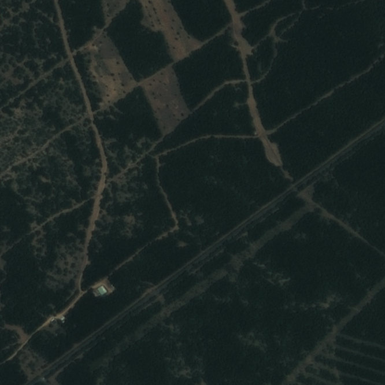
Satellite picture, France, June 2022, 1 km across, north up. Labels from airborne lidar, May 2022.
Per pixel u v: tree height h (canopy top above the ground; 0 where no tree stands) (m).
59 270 9
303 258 11
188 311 11
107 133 9
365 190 10
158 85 0
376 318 9
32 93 9
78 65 8
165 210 11
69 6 11
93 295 13
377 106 10
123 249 8
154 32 9
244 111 8
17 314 10
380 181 10
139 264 9
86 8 10
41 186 10
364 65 13
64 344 7
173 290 9
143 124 11
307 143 10
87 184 10
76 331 11
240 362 14
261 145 8
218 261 7
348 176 11
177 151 9
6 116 0
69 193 8
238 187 8
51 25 8
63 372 9
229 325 9
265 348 7
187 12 13
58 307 8
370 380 10
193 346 9
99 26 7
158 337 9
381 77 12
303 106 13
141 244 10
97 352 14
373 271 9
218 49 11
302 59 10
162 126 0
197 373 8
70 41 7
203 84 9
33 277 10
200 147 11
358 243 11
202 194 12
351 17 11
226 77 7
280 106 12
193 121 10
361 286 12
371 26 13
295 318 9
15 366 12
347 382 10
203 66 10
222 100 7
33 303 7
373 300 8
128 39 11
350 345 9
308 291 13
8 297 10
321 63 11
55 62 6
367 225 8
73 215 11
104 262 6
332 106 8
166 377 7
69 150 10
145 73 10
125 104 8
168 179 11
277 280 8
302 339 9
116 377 8
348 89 13
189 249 9
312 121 9
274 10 9
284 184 8
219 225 10
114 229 9
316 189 10
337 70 12
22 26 6
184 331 9
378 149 13
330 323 8
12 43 9
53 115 9
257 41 7
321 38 12
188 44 0
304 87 14
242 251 8
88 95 9
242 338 7
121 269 8
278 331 9
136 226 7
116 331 8
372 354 12
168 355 9
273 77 11
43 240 8
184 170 8
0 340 9
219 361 9
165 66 7
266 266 9
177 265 12
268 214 7
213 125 9
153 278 10
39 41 8
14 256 12
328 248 12
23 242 12
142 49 9
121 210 8
